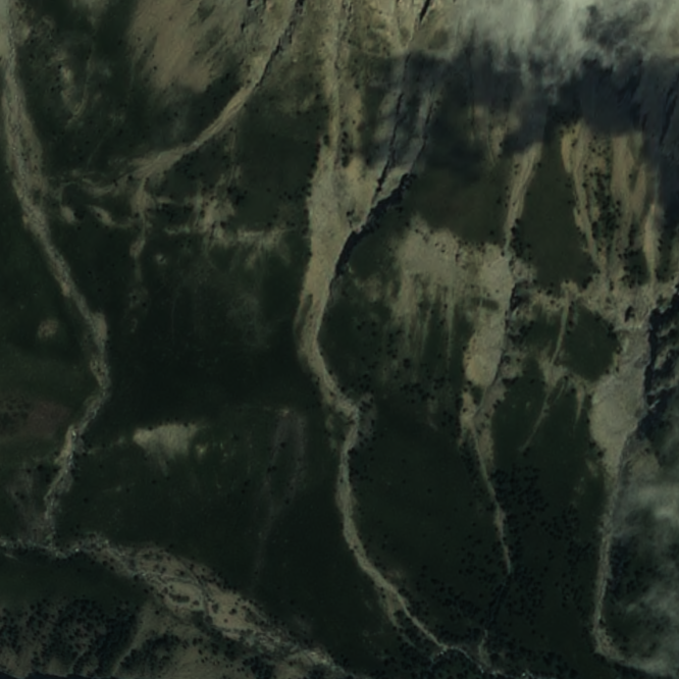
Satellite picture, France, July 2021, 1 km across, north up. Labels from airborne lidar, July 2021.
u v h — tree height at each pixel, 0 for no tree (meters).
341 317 0
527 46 0
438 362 0
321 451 0
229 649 10
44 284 0
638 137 0
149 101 0
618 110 0
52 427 0
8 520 0
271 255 0
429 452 0
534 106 0
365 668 0
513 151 0
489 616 11
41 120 0
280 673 0
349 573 0
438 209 0
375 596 0
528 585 8
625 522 13
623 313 0
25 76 0
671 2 0
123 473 0
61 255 0
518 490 9
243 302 0
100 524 0
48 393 0
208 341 0
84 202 0
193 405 0
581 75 0
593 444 9
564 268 0
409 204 0
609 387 0
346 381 0
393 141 0
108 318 0
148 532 0
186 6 0
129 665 11
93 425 0
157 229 0
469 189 0
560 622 0
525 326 8
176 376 0
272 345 0
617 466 0
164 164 0
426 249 0
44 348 0
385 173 0
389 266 0
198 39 0
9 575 0
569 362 0
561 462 0
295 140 0
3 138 0
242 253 0
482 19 0
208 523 0
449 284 0
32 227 0
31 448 0
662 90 0
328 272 0
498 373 0
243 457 0
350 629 0
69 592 0
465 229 0
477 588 0
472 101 0
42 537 0
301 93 0
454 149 0
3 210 0
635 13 0
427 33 0
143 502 0
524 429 0
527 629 0
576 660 0
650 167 0
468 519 0
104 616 11
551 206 0
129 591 0
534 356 0
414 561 0
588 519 0
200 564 0
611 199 12
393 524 0
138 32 0
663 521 0
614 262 0
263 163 0
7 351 0
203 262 0
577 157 0
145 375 0
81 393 0
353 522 0
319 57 0
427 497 0
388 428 0
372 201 0
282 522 0
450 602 13
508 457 0
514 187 0
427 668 7
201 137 0
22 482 0
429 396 7
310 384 0
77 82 0
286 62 0
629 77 0
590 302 0
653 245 0
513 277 0
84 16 0
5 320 0
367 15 0
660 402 0
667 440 0
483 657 0
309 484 0
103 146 0
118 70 0
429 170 0
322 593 0
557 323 0
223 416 0
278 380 0
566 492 0
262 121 0
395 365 0
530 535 0
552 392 0
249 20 0
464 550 8
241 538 0
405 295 0
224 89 0
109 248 0
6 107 0
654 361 0
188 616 0
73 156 0
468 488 0
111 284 0
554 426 0
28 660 0
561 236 0
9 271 0
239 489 0
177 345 0
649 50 0
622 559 18
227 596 0
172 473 0
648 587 12
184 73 0
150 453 0
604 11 0
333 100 0
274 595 0
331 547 0
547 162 0
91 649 9
